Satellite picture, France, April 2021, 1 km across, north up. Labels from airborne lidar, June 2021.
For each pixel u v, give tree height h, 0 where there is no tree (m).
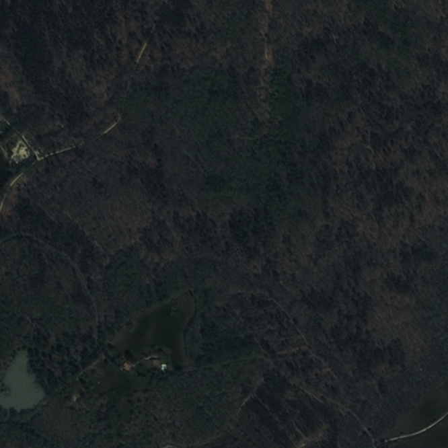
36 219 15
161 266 14
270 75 18
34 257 9
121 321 13
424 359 15
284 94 18
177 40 9
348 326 11
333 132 16
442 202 11
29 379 0
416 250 8
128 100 17
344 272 10
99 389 0
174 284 23
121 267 20
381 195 10
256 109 14
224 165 19
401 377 19
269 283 13
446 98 10
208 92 23
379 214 17
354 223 11
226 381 14
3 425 24
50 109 13
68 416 12
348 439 21
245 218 15
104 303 12
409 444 0
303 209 15
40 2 14
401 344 19
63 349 14
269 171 20
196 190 21
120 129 10
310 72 18
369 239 11
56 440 16
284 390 16
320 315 14
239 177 19
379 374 13
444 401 0
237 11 13
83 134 9
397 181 9
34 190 16
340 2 19
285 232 14
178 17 17
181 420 12
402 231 13
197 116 20
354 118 9
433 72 16
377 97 10
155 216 14
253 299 6
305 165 16
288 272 10
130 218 8
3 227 8
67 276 11
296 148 22
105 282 12
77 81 12
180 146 22
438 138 11
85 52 11
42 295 16
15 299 15
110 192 7
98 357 18
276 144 20
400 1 8
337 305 9
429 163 18
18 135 17
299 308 22
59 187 14
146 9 20
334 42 13
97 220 10
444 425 0
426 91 19
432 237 18
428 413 0
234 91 11
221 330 17
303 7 16
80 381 0
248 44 13
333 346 12
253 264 10
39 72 15
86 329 12
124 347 0
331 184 19
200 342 17
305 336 14
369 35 19
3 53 9
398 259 16
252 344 22
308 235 15
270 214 29
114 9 12
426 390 13
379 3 15
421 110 16
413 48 14
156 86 14
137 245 15
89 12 16
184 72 17
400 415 15
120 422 6
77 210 13
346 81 16
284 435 9
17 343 16
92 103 11
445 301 20
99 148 22
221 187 23
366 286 15
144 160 10
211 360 22
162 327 0
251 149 12
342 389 14
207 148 25
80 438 15
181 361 0
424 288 17
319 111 14
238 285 16
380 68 16
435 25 13
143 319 0
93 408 17
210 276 20
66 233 11
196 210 17
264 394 9
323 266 12
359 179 7
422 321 17
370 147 12
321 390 18
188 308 0
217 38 22
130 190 16
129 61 8
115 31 12
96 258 11
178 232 12
